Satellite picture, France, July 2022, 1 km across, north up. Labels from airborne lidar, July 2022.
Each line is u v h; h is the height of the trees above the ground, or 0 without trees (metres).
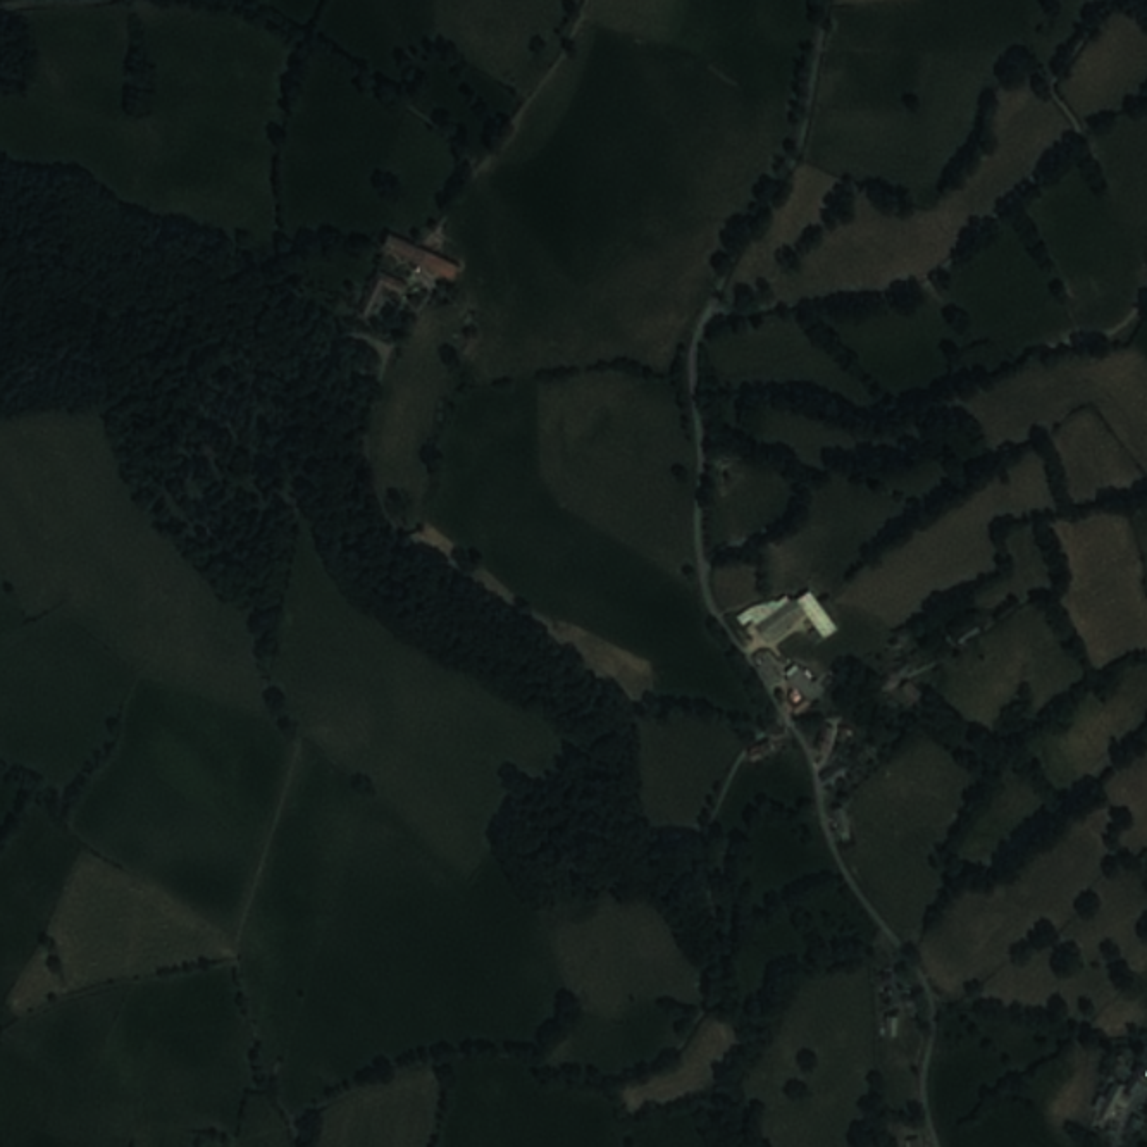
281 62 0
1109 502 20
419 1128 0
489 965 0
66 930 0
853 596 0
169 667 0
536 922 0
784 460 22
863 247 0
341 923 0
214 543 14
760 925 21
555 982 0
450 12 0
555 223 0
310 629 0
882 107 0
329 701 0
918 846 0
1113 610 0
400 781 0
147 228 29
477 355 0
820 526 0
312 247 27
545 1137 0
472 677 19
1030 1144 0
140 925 0
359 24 0
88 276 30
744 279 0
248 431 31
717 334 18
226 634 0
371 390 14
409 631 23
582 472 0
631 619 0
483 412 0
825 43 0
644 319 0
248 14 20
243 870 0
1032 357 10
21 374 28
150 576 0
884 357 0
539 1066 17
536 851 30
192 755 0
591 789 28
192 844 0
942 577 0
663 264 0
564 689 24
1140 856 6
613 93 0
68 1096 0
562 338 0
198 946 0
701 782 0
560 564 0
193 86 0
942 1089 0
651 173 0
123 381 22
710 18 0
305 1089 0
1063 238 0
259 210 0
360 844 0
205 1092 0
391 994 0
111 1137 0
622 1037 0
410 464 0
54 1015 0
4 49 15
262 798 0
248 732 0
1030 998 0
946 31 0
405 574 30
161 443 25
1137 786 0
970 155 20
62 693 0
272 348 23
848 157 0
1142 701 0
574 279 0
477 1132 0
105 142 0
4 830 12
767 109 0
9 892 0
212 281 32
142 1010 0
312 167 0
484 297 0
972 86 0
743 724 14
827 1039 0
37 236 24
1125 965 14
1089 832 0
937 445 18
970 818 15
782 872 0
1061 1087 0
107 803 0
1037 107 0
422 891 0
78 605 0
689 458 0
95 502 0
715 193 0
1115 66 0
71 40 0
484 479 0
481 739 0
